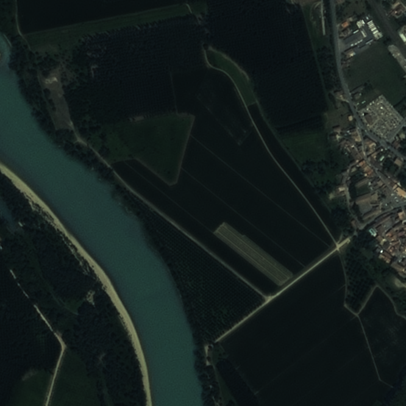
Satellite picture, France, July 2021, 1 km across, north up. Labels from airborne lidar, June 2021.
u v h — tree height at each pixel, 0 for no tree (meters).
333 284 0
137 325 0
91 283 16
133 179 0
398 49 0
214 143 0
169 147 0
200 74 0
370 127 0
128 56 21
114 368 26
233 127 0
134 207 10
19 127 0
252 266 0
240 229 0
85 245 0
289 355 0
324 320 0
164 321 0
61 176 0
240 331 0
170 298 0
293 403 0
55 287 17
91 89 11
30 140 0
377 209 0
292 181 0
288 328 0
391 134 0
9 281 29
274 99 30
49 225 11
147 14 0
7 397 30
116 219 0
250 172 0
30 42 0
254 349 0
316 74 26
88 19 0
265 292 0
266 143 0
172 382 0
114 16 0
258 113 0
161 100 24
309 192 0
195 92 0
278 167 0
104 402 29
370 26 0
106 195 0
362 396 0
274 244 0
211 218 0
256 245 0
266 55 29
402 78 5
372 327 0
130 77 21
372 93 0
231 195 0
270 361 0
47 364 22
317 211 0
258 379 0
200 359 16
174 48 23
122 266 0
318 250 0
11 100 0
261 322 0
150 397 0
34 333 27
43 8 0
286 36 27
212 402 26
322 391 0
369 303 0
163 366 0
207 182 0
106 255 0
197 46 26
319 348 0
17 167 0
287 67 29
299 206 0
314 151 0
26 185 0
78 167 0
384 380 0
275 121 25
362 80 0
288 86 30
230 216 0
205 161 0
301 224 0
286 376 0
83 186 0
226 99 0
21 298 28
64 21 0
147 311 0
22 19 0
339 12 8
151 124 0
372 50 0
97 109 11
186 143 0
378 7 0
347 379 0
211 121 0
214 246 0
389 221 0
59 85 0
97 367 33
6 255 17
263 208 0
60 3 0
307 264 0
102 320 25
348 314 0
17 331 28
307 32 24
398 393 31
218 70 0
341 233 0
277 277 0
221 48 13
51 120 14
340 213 30
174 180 0
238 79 0
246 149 0
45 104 12
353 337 0
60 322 14
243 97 0
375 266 7
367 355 0
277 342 0
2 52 0
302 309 0
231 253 0
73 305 0
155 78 25
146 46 21
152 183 0
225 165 0
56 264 20
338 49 0
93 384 0
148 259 0
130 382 10
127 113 21
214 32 26
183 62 24
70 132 19
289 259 0
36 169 0
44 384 0
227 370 27
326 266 0
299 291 0
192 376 0
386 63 0
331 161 8
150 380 0
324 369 0
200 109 0
